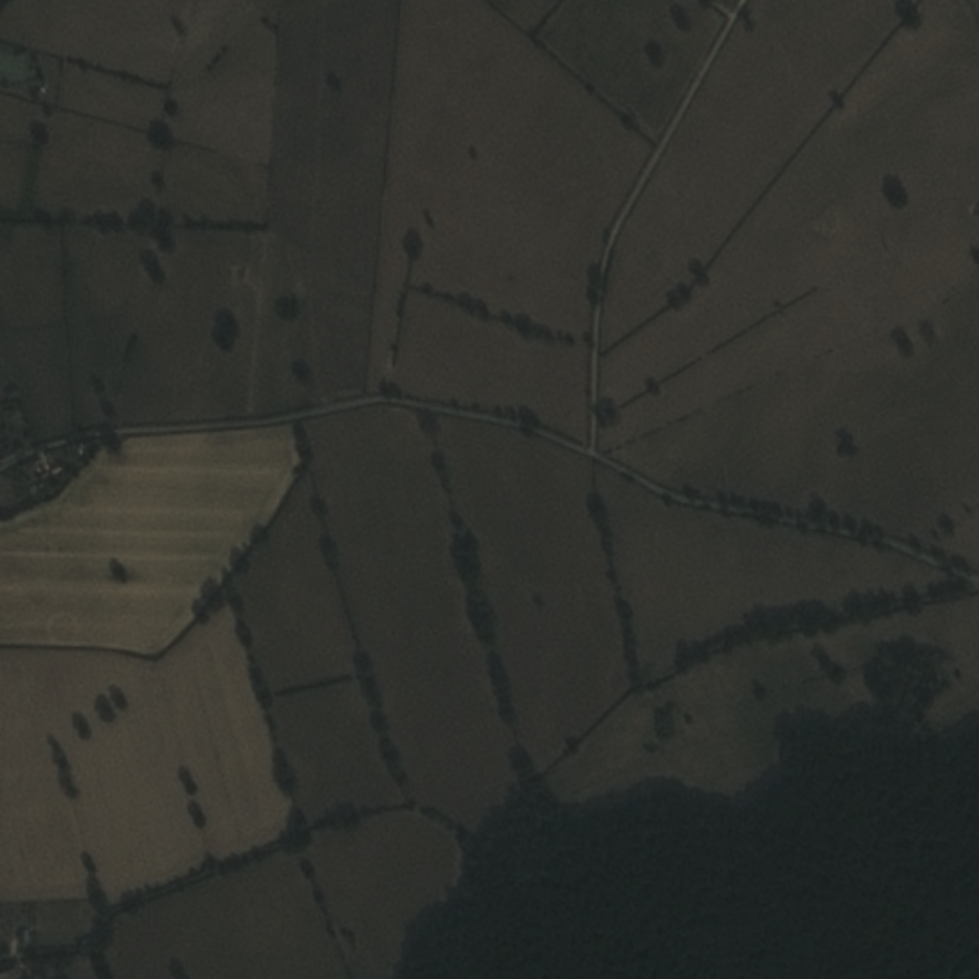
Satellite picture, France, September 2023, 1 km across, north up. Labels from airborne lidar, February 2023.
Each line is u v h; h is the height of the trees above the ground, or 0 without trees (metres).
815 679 0
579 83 0
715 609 0
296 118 0
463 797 0
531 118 0
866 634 0
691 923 22
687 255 0
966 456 0
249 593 0
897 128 0
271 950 0
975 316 0
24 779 0
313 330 0
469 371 0
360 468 0
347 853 0
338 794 0
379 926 0
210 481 0
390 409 0
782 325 0
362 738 0
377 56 0
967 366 0
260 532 14
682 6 0
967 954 17
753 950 19
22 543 0
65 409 0
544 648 0
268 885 0
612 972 21
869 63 0
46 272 0
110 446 16
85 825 0
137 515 0
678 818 22
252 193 0
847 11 0
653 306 0
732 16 0
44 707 0
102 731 0
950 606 0
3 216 0
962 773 25
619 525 0
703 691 0
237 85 0
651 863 22
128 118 0
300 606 0
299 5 0
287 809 0
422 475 0
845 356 0
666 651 0
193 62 0
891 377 0
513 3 0
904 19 18
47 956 6
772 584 0
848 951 17
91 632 0
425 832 0
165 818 0
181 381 0
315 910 0
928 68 0
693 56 0
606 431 0
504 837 19
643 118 0
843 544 0
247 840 0
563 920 20
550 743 0
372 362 0
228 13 0
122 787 0
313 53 0
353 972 0
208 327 0
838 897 18
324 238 0
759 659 0
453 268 0
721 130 0
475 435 0
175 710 0
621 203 0
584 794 0
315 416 0
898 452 0
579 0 0
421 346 0
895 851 18
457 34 0
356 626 0
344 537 0
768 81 0
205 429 0
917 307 0
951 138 0
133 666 0
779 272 0
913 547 13
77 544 0
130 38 0
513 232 0
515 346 0
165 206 0
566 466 0
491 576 0
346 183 0
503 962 21
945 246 0
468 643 0
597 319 0
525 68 0
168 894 0
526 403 0
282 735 0
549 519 0
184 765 0
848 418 0
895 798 21
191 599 0
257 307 0
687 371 0
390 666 0
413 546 0
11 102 0
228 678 0
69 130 0
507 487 0
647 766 0
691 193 0
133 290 0
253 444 0
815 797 20
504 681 15
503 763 0
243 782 0
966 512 8
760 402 0
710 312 0
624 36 0
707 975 23
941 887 24
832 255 0
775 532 0
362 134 0
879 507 0
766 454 0
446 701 0
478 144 0
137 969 0
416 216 0
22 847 0
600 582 0
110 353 0
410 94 0
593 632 0
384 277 0
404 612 0
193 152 0
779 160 0
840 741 21
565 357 0
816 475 0
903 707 14
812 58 0
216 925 0
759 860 22
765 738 0
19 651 0
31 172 0
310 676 0
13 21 0
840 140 0
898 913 22
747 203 0
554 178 0
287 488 0
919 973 22
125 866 0
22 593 0
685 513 0
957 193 0
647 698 0
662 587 0
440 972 21
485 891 22
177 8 0
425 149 0
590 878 25
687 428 0
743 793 0
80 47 0
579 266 0
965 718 0
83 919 0
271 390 0
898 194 17
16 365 0
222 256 0
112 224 12
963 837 17
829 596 0
